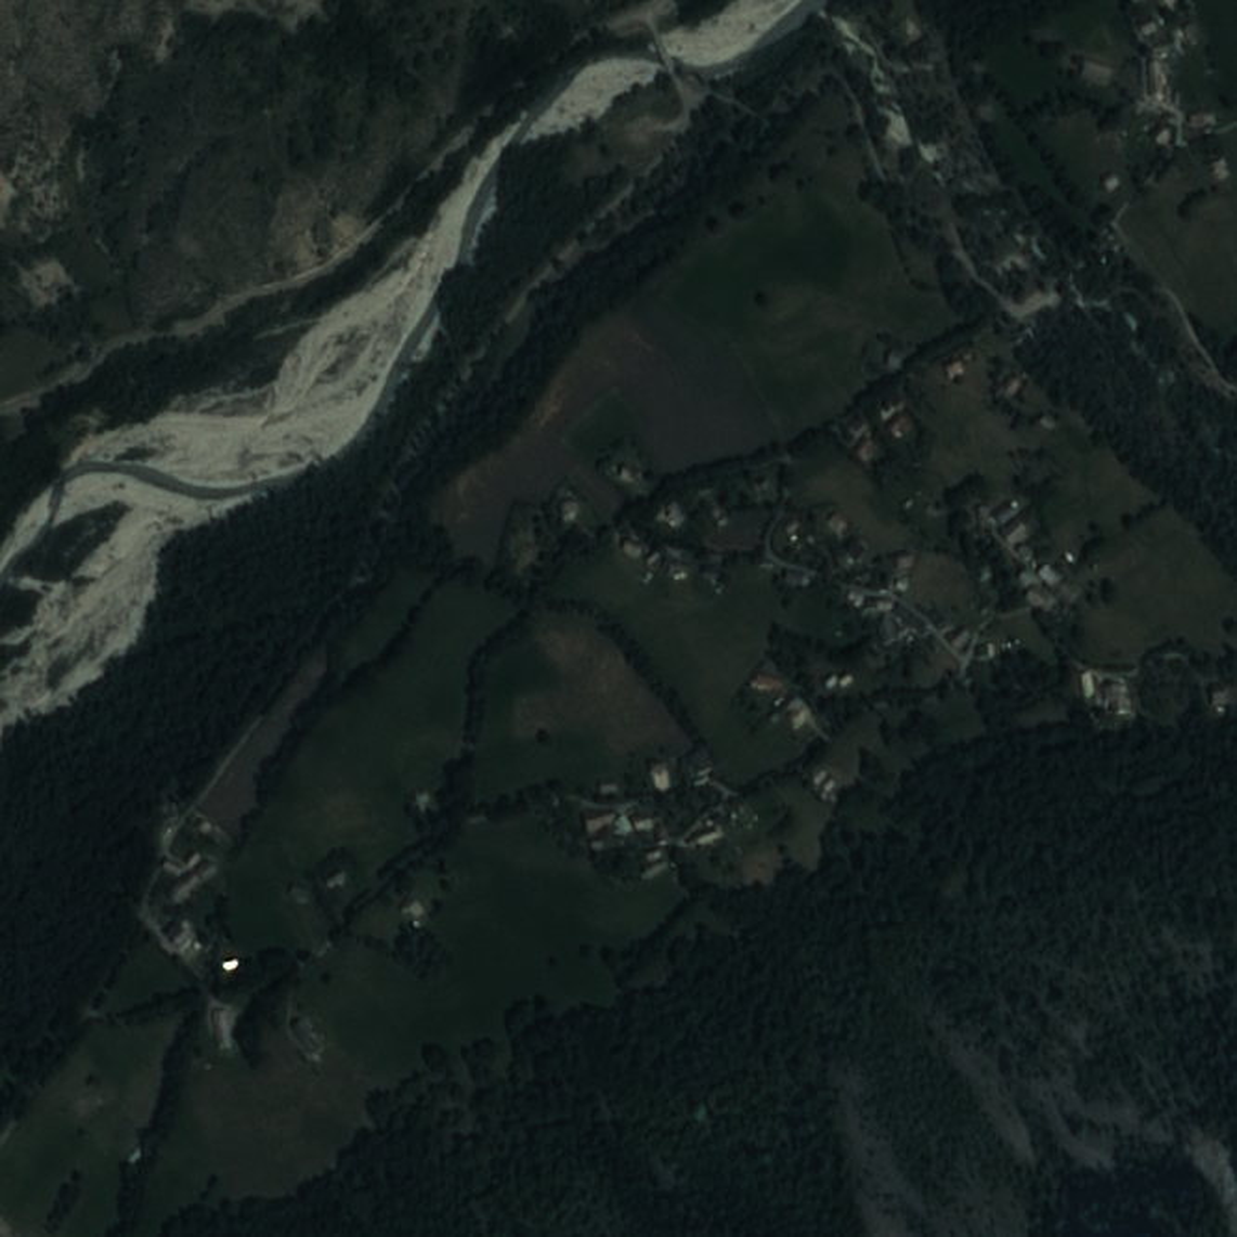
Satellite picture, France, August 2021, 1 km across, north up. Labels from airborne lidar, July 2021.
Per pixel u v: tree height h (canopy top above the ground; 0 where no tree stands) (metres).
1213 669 9
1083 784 13
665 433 0
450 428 7
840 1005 12
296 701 0
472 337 10
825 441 18
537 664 0
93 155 6
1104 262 13
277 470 0
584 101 0
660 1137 9
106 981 14
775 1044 17
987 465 0
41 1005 21
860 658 12
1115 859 21
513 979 0
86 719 15
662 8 0
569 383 0
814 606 0
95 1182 0
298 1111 0
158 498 0
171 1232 15
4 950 18
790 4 0
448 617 0
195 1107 0
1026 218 8
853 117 7
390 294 0
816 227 0
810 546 7
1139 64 8
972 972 8
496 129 15
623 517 14
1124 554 0
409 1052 0
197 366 23
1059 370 26
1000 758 11
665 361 0
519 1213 8
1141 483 11
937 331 0
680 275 0
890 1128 6
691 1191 7
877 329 0
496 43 10
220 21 7
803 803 0
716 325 0
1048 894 13
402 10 11
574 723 0
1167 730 10
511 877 0
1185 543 0
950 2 10
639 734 0
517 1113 11
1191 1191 14
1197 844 12
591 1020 17
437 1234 10
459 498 0
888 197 22
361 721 0
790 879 17
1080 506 0
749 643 0
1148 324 12
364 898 6
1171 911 7
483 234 6
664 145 0
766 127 16
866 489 0
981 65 15
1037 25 20
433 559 10
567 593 0
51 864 19
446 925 0
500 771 0
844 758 0
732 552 6
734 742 0
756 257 0
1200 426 9
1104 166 0
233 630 6
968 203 17
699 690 0
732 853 0
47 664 0
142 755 16
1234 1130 6
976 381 0
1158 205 0
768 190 0
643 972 15
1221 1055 9
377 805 0
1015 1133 0
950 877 13
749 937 15
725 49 0
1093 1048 6
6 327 13
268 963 17
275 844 0
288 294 9
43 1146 0
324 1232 16
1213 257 0
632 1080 14
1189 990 7
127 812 23
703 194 25
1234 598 0
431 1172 17
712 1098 8
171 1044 0
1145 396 16
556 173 8
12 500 12
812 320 0
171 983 0
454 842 21
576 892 0
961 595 0
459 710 0
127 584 0
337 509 8
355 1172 11
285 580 10
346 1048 0
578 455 0
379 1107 19
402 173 10
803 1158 8
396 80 17
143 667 20
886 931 14
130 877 24
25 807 14
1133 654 0
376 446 9
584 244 12
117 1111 0
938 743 17
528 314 0
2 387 0
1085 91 0
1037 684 18
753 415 0
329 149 17
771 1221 13
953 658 0
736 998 15
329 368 0
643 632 0
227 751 11
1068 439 0
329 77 9
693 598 0
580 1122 10
